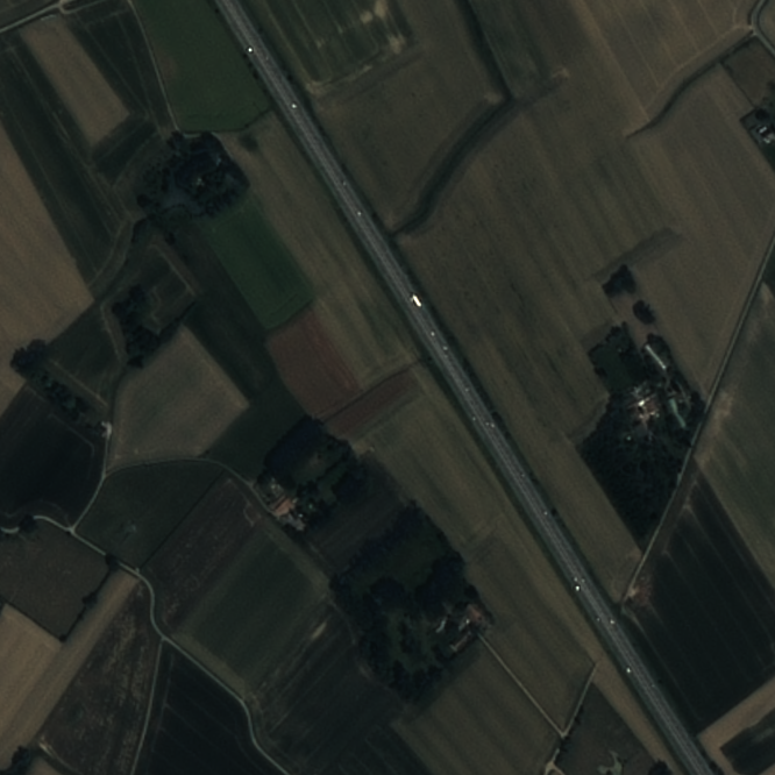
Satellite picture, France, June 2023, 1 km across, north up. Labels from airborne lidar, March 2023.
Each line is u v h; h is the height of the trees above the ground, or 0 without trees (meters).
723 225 0
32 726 0
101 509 0
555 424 0
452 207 0
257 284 0
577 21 0
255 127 0
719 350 0
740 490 0
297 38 0
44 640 0
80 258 0
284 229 0
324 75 0
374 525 0
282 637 0
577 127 0
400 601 35
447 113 0
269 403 0
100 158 0
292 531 11
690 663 0
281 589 0
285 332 0
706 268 0
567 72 0
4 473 0
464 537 0
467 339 0
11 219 0
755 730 0
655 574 0
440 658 28
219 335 0
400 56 0
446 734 0
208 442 0
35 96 0
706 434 0
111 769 0
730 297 0
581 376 0
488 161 0
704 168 0
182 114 0
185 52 0
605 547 0
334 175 0
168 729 0
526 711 0
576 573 0
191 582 0
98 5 0
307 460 0
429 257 0
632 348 9
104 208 0
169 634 0
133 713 0
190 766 0
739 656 0
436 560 0
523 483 0
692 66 0
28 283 0
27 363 26
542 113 0
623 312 0
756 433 0
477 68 0
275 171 0
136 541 0
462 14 0
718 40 0
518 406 0
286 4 0
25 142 0
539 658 0
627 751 0
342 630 0
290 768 0
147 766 0
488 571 0
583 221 0
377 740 0
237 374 0
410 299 0
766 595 0
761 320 0
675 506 0
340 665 0
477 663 0
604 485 8
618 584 0
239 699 0
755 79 0
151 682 0
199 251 0
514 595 0
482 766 0
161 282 0
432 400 0
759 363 0
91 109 0
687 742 0
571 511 0
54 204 0
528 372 0
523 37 0
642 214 0
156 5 0
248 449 0
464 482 0
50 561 0
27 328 0
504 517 0
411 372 0
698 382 0
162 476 0
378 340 0
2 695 0
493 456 0
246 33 0
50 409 0
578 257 0
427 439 0
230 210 0
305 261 0
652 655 0
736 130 0
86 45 0
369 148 0
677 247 0
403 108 0
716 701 0
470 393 0
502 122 0
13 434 0
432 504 0
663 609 0
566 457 0
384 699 0
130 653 0
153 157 0
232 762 0
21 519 0
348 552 0
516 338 0
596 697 0
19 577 0
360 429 0
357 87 0
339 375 0
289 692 0
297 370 0
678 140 0
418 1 0
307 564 0
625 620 0
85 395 0
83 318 0
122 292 0
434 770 0
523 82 0
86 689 0
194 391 0
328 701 0
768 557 0
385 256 0
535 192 0
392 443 0
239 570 0
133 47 0
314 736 0
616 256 0
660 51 0
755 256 0
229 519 0
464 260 0
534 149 0
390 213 0
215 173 20
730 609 0
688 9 0
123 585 0
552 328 0
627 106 0
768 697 0
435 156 0
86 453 0
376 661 20
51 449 0
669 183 0
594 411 0
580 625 0
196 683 0
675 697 0
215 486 0
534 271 0
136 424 0
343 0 0
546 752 0
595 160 0
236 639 0
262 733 0
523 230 0
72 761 0
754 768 0
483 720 0
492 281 0
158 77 0
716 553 0
